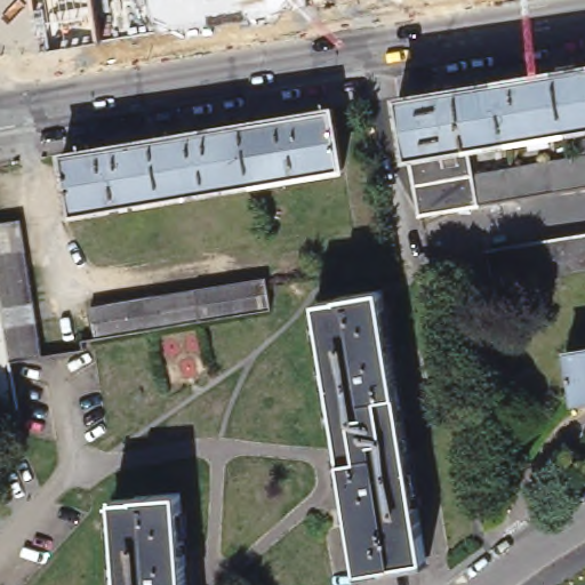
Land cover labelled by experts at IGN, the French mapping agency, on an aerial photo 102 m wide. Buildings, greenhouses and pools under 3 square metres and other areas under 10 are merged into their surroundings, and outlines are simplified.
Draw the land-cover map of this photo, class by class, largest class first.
<instances>
[{"label":"impervious surface","instance_id":"1","mask_svg":"<svg viewBox=\"0 0 585 585\"><path fill-rule=\"evenodd\" d=\"M43 18H34L32 0H0V160H7V158L21 155V171L34 174L41 165L53 162L55 155L71 153L78 149L85 151L176 133L208 130L231 123L329 110L340 165L347 162V158L350 149L377 158L379 167L368 176V181L372 185H393L398 235L393 240L377 242L375 231L366 226L354 229L350 238L329 242L327 254L320 261V304L356 295H372L377 302L388 391L395 411L407 498L418 548L416 574L400 578L363 574L366 578L352 585H585V487H571L567 489V498H576L580 505L574 514V521L564 526L558 535H544L530 528V512L526 507V500L516 498L512 507L505 512V521L496 530L473 535V542L480 546L457 567H448L450 546L446 530L436 521L441 505V482L432 446V430L420 409L423 370L407 279L420 265L432 267L439 261H455L471 277V281L475 277H482L487 270L500 272L514 267L539 279L544 290L553 293L558 277V263L553 261L551 249L544 245V240L585 233V155L571 160H548L544 149L532 153H528L526 149L505 151V155L498 160H480L478 155H473L471 167L478 192V210L473 215H457V208L423 213L418 206V190L409 187L407 169L395 165L386 105L418 94L487 85L507 78H521L528 73L571 71L585 66V0H340L336 7L324 9V0H306L297 11L281 7L274 18L245 16L242 23L219 25L213 30L208 39L185 41L158 32L155 37L133 39L126 34V39H103L91 46L41 53L39 41L46 39V32L41 30ZM359 101L368 103V110L372 114V133L350 146L352 128L347 123V110ZM169 379L174 384H190L206 370L197 334H171L165 338L162 345ZM50 361L41 370H27L21 361H14L5 368L0 366V398L7 407L16 409L18 430L23 434L32 430V434L41 439H53L57 443L59 462L46 484L30 475V462L21 464V468L25 471L23 475H11V514L0 521V585H34V580L43 574V567L50 560V553L59 548V544L78 526V510L59 507V498L73 487L87 489L107 475H117V489L112 496L114 503L167 498L169 494H176L181 498L199 494L197 462L201 459L208 464L210 489L208 500L201 505L206 521V585H217L215 576L224 560L222 512L226 464L242 455L299 459L313 466L315 475L331 466L327 462V446L302 448L226 436H199L194 441V430L190 425H160L139 439H126V448L119 446L114 450H96L91 441L103 436V427H98L96 423L105 416V409L103 395L94 393L98 388V377L91 356L87 354H82L75 361H69L66 354L48 356ZM313 507L331 514V491L315 482L313 491L249 548L261 555L263 551L274 546L288 530L304 523ZM324 542L331 578L345 576V558L340 532L331 526Z\"/></svg>","mask_w":585,"mask_h":585},{"label":"building","instance_id":"2","mask_svg":"<svg viewBox=\"0 0 585 585\"><path fill-rule=\"evenodd\" d=\"M306 0H32L34 18H43L41 30L46 32V39L39 41L41 53L91 46L103 39H126V34L133 39L155 37L158 32L185 41L208 39L213 30L219 25L242 23L245 16L274 18L281 7L297 11ZM340 0H324V9L336 7ZM395 165L407 169L409 187L418 190V206L423 213L457 208V215H473L478 210V192L471 167L473 155H478L480 160H498L505 155V151L526 149L528 153H532L544 149H548L555 142L585 137V66L571 71L528 73L521 78H507L487 85L418 94L386 105ZM53 162L57 165L59 174V194H69L73 199V206L78 208L66 213L69 217H75V222L251 192L270 190L338 178L340 165L329 110L231 123L208 130L176 133L85 151L78 149L71 153L55 155ZM14 361H21L27 370H41L50 361L48 356L39 350L21 229L16 222L0 224V366L5 368ZM544 245L551 249L553 261L558 263V277L562 279L585 274V233L544 240ZM267 311V286L263 279L89 306L91 322L101 324V331L105 334L103 338L139 334L162 327L199 324L206 320L238 318ZM306 336L313 354V377L327 446V462L331 466L315 475V482L331 491V526L340 532L345 558V576L331 578V585H352L366 578L363 574L400 578L416 574L418 548L407 498L395 411L388 391L377 302L372 295H356L320 304L306 306ZM562 388L569 407H580L585 411V350L567 352L560 356ZM105 542V585H178V578H183L185 574L183 560L187 558V519L181 512V498L176 494H169L167 498L114 503L101 505V521L96 523Z\"/></svg>","mask_w":585,"mask_h":585},{"label":"herbaceous vegetation","instance_id":"3","mask_svg":"<svg viewBox=\"0 0 585 585\"><path fill-rule=\"evenodd\" d=\"M18 171H21V155L7 158V160H0V174H18ZM368 181V176L359 162L347 158V162L340 165L338 178L270 190L277 201L274 215L279 222V233H270L267 238L249 233L254 222V210H249L247 206L251 192L75 222H69L64 231L71 238L73 254H78L82 263L94 267H130L135 272H144L169 267L176 263L231 256V270H295L299 249L306 240L329 242L350 238L354 229L366 226L375 215V210H370L363 201V185ZM553 299L558 302L560 311L542 334H535L530 338L528 350L523 354H505L491 345H484L478 354L480 366L494 370L491 382L496 384L503 407H512L516 402L551 407L546 411L544 423H521L514 432L516 439L532 443L530 455L535 457L544 448V443L555 434L558 427L567 425L569 407L562 388L560 356L567 352L585 350V274L562 279L558 277L553 293ZM320 288L315 283H286L277 288V299L267 302V311L238 318L206 320L210 324L215 354L222 366L217 375H210L206 370L190 384H174L169 379L167 398H158L153 393L149 350L142 345L139 334L103 338L91 340L87 354L91 356L98 377V388L94 393L103 395L105 409V416L96 423L98 427H103V436L91 441L96 450H114L119 446L126 448V439H139L160 425H190L194 430V441L199 436H226L302 448L327 446L313 377V354L306 336V306L320 304ZM452 436L432 430V446L441 482V505L436 521L446 530L450 546H455L466 535H473L496 530L505 521V516L496 510L484 514L480 521H473L468 516L466 505L459 503V498L471 494V484L450 478ZM30 462V475L46 484L59 462L57 443L53 439H41L32 434L27 446ZM315 482V475L313 466L299 459L242 455L226 464L222 512L224 560L215 576L217 585H331V578L324 542H313L304 530V523L288 530L274 546L263 551L261 555L249 548L313 491ZM199 494L181 498V512L187 519V558L183 560L185 574L183 578H178V585H206V521L201 505L208 500L210 489L208 464L201 459L197 462ZM117 489V475H107L87 489L73 487L59 498V507L78 510V526L59 544V548L50 553V560L43 567V574L34 580V585H105V542L96 523L101 521V505L114 503L112 496Z\"/></svg>","mask_w":585,"mask_h":585},{"label":"deciduous trees","instance_id":"4","mask_svg":"<svg viewBox=\"0 0 585 585\"><path fill-rule=\"evenodd\" d=\"M347 123L352 128L350 146L372 133V114L368 110V103L359 101L347 110ZM347 158L359 162L368 176L379 167L377 158L350 149ZM363 201L370 210H375V215L366 226L375 231L377 242L393 240L398 235L393 185H372L368 181L363 185ZM423 370L420 409L432 430L452 436L450 478L471 484V494L459 498V503L466 505L468 516L473 521H480L484 514L496 510L505 516V512L512 507L516 498L526 500V507L530 512V528L544 535H558L564 526L574 521V514L580 505L576 498H567V489L571 487V480H567L564 484L535 487L532 482L537 471L528 466L535 457L530 455L532 443L516 439L514 432L521 423H544L546 411L551 407L516 402L512 407H503L496 384L491 382L494 370L480 366L478 354L484 345H491L505 354H523L528 350L530 338L535 334H542L560 311L558 302L553 299V293L544 290L539 279L514 267L500 272L487 270L482 277H475L471 281V277L455 261H439L432 267L420 265L407 279ZM32 434V430L23 434L18 430L16 409L7 407L0 398V521L11 514V475H23L25 471L21 468V464L30 462L27 446Z\"/></svg>","mask_w":585,"mask_h":585},{"label":"pervious surface","instance_id":"5","mask_svg":"<svg viewBox=\"0 0 585 585\"><path fill-rule=\"evenodd\" d=\"M78 208L73 206V199L69 194H59V174L57 165L53 162L41 165L34 174L21 171H18V174H0V224L16 222L21 229L39 350L48 356L66 354L69 361H75L82 354H87L91 340L103 338L105 334L101 331V324L91 322L89 306L263 279L270 270H231V256L176 263L169 267L144 272H135L130 267H94L82 263L78 254H73L71 238L64 231L69 222H75V217H69L66 213Z\"/></svg>","mask_w":585,"mask_h":585},{"label":"brushwood","instance_id":"6","mask_svg":"<svg viewBox=\"0 0 585 585\"><path fill-rule=\"evenodd\" d=\"M548 160H571L585 155V137L555 142L548 149H544ZM247 206L249 210H254V222L249 233L267 238L270 233H279V222L274 215L277 201L270 190L251 192ZM329 242L306 240L299 249L295 270H270L263 279L267 286V302L277 299V288L286 283H315L320 288V261L327 254ZM197 334L206 370L210 375H217L222 366L215 354L210 324L206 320L199 324L162 327L139 334L142 345L149 350L153 393L158 398H167L169 379L162 345L165 338L171 334ZM537 471L532 482L535 487L564 484L567 480H571V487H585V411L580 407H569L567 425L558 427L555 434L544 443V448L535 457L528 466ZM331 514L313 507L304 523V530L313 542H324L331 526ZM480 546L473 542V535H466L455 546H450L448 567H457Z\"/></svg>","mask_w":585,"mask_h":585}]
</instances>
